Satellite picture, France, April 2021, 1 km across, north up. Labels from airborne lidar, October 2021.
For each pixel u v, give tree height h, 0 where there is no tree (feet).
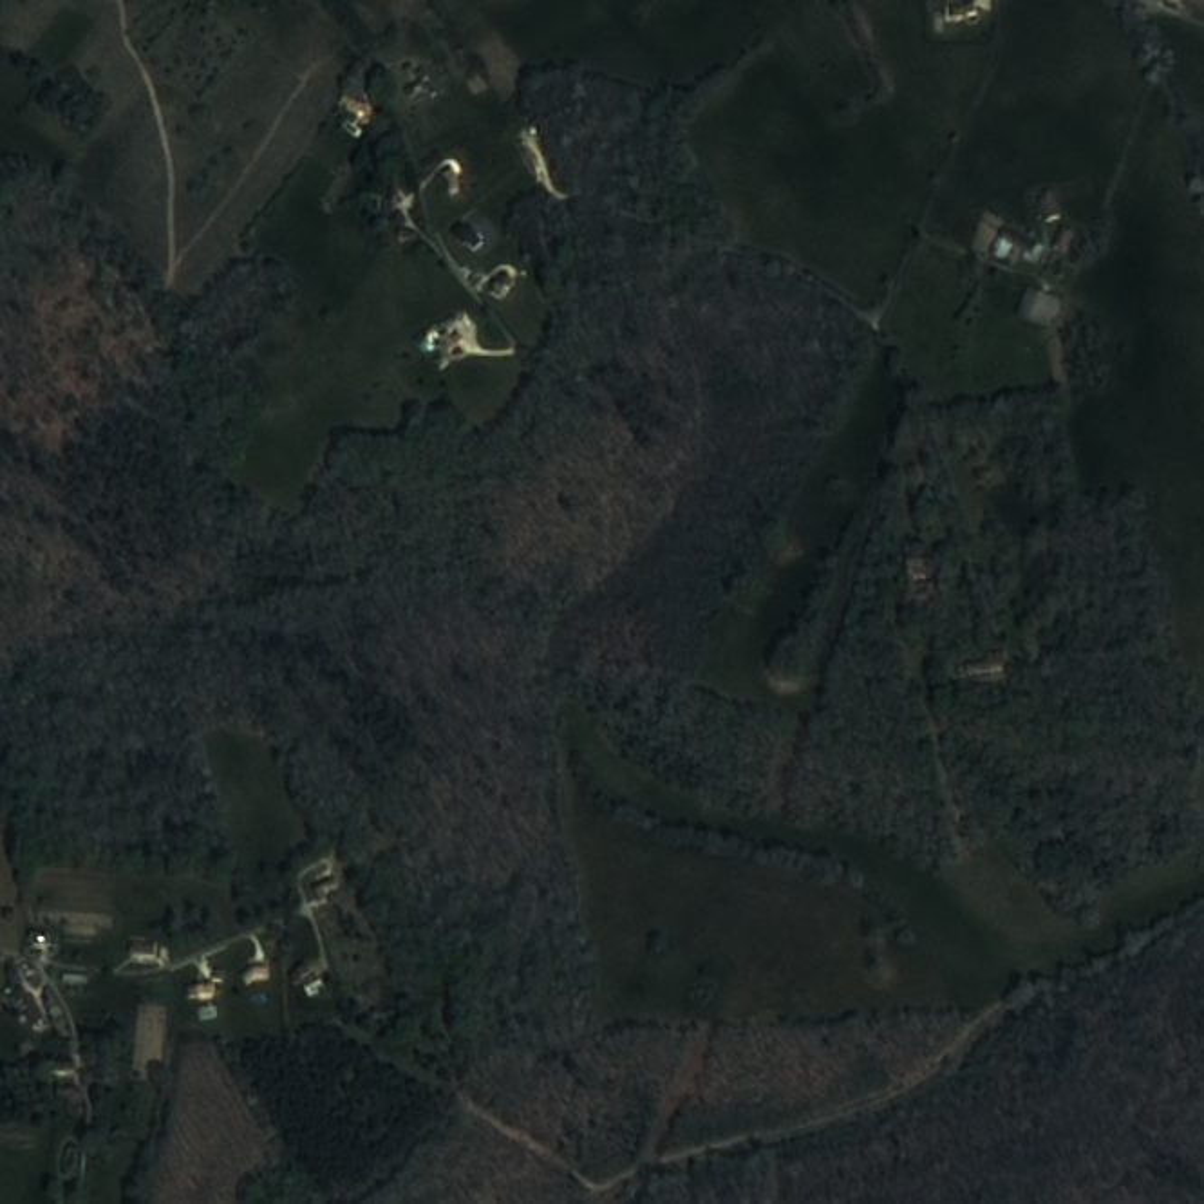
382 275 0
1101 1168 33
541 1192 40
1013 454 32
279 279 55
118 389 65
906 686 51
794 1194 48
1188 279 0
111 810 82
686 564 38
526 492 66
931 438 63
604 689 56
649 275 55
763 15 0
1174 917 25
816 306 45
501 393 0
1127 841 32
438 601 76
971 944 0
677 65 0
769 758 94
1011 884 0
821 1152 43
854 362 82
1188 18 0
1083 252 52
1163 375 0
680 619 35
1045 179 0
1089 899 52
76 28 0
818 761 102
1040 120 0
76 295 0
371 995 42
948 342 0
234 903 26
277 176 0
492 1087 50
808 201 0
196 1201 63
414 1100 45
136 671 82
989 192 0
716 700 47
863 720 72
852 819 72
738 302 38
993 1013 0
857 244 0
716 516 37
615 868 0
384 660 69
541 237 38
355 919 34
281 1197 60
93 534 49
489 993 70
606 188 42
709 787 62
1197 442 0
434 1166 65
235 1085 68
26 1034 0
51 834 77
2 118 0
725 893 0
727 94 0
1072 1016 31
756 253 28
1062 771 40
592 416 71
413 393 0
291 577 23
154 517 85
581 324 72
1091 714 75
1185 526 0
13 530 68
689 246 66
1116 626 49
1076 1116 38
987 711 45
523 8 0
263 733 58
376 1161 46
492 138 0
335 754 74
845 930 0
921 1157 28
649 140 47
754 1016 0
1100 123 0
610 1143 37
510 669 61
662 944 43
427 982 58
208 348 66
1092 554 50
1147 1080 35
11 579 56
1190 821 70
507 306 0
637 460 62
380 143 40
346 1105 33
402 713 71
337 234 0
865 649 44
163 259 0
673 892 0
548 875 56
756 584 73
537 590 73
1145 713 65
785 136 0
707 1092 51
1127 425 0
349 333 0
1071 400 35
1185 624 0
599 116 69
